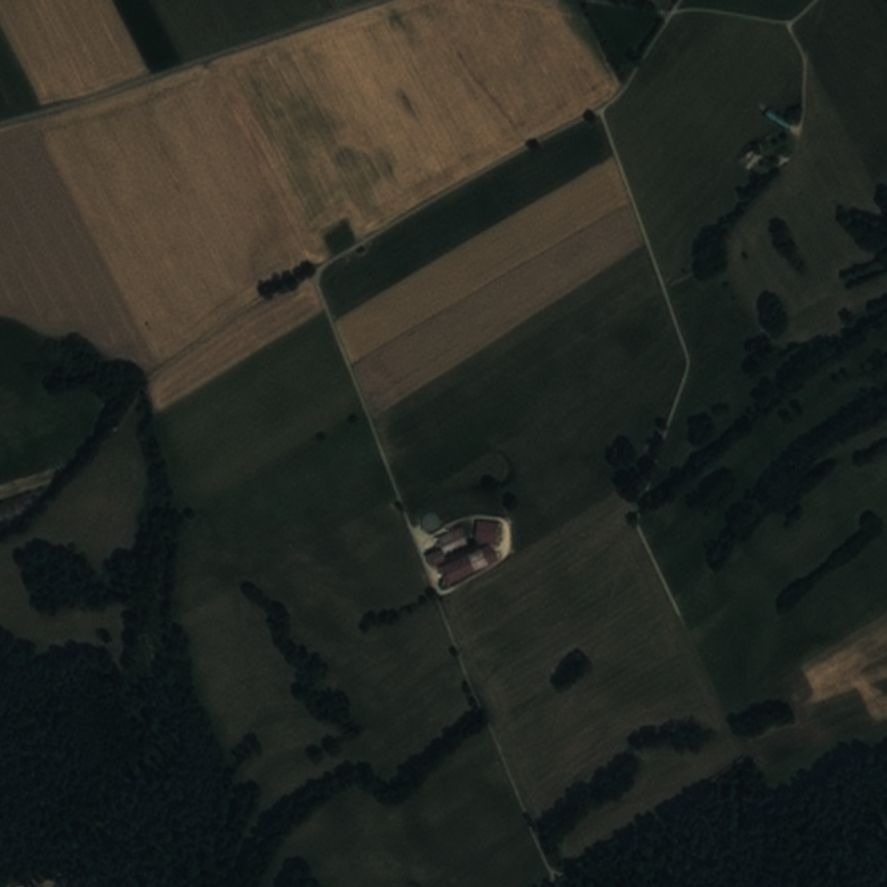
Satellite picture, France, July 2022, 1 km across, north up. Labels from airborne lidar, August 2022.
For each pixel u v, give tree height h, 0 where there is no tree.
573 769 0
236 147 0
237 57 0
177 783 26
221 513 0
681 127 0
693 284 0
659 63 0
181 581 0
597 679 0
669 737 15
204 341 0
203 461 0
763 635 0
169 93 0
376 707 0
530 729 0
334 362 0
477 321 0
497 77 0
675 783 0
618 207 0
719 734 0
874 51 0
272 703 0
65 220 0
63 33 0
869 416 16
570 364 0
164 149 0
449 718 0
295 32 0
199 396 0
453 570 0
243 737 0
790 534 0
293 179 0
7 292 0
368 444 0
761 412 17
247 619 0
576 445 0
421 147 0
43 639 0
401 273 0
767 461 0
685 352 0
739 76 0
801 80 0
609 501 0
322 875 0
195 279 0
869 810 8
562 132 0
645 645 0
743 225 0
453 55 0
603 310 0
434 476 0
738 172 0
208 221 0
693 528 0
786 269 0
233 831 26
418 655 0
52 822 15
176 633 20
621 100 0
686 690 0
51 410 0
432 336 0
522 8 0
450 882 0
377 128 0
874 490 0
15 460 0
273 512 0
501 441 0
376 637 0
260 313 0
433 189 0
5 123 0
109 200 0
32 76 0
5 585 0
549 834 21
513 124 0
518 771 0
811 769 0
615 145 0
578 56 0
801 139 0
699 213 0
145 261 0
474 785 0
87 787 16
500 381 0
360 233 0
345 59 0
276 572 0
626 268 0
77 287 0
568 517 0
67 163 0
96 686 18
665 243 0
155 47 0
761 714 20
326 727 0
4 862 34
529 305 0
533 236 0
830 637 0
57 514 0
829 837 33
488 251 0
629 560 0
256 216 0
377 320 0
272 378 0
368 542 0
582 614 0
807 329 0
